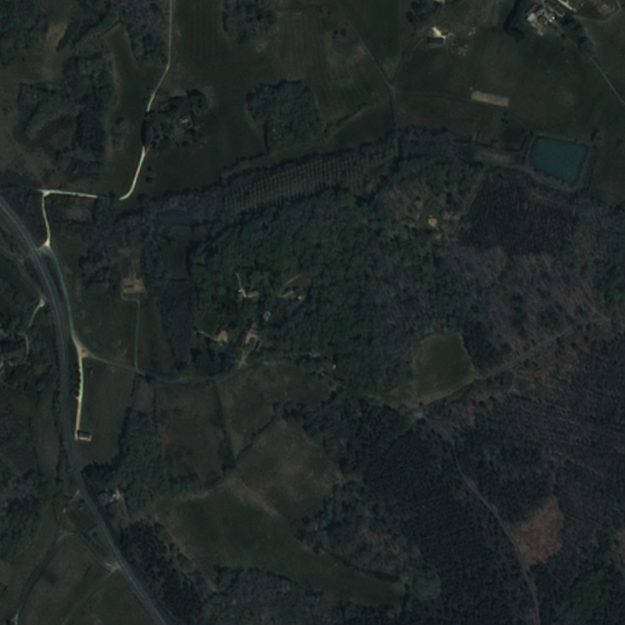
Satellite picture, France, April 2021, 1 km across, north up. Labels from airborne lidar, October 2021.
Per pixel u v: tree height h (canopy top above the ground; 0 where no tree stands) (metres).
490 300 23
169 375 0
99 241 19
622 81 0
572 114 0
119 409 0
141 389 0
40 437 0
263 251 25
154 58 20
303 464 0
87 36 15
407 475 18
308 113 25
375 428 19
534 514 21
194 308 18
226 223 20
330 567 0
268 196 27
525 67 0
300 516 0
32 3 19
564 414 7
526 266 18
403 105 0
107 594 0
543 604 10
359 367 23
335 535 25
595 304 18
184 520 0
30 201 18
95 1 16
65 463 11
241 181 20
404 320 11
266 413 0
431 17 18
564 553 12
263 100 18
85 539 9
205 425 0
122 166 0
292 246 20
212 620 12
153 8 15
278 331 13
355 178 23
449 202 18
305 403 0
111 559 0
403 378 18
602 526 15
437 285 18
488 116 0
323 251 19
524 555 0
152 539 8
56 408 14
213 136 0
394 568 19
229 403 0
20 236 0
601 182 0
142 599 0
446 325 17
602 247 19
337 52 0
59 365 10
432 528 17
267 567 0
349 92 0
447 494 18
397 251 20
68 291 0
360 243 22
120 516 22
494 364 22
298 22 0
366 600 0
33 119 15
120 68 0
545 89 0
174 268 0
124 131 15
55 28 0
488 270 20
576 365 11
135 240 20
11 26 22
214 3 0
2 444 13
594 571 6
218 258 22
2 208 0
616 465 13
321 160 17
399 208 15
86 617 0
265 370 0
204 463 0
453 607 6
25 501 15
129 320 0
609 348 12
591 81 0
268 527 0
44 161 0
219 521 0
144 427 26
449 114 0
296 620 14
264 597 15
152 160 0
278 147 20
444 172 24
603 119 0
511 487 17
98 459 0
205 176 0
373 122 0
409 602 16
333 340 20
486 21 0
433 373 0
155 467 24
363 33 0
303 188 26
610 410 14
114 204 20
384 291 25
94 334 0
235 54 0
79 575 0
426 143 22
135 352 0
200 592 13
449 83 0
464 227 16
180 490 25
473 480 17
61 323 0
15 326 14
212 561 0
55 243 0
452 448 12
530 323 19
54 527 0
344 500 16
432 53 0
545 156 0
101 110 25
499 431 11
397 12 0
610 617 17
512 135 0
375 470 19
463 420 6
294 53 0
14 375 13
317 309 20
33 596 0
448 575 16
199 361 26
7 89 0
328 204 23
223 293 22
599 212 20
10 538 15
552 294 21
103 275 11
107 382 0
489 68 0
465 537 18
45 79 0
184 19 0
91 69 20
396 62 0
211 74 0
